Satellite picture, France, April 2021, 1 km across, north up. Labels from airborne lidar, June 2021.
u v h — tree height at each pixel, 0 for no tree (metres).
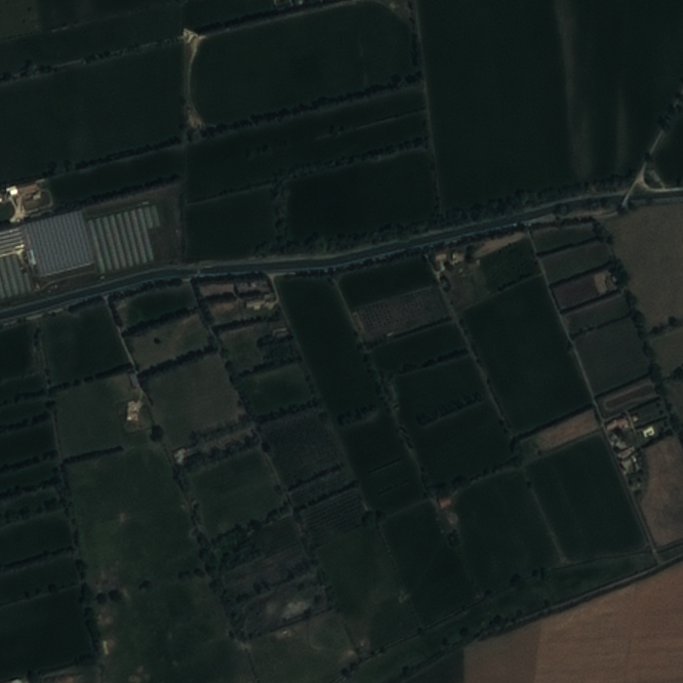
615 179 10
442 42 0
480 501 0
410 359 0
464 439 0
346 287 0
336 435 0
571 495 0
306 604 0
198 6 0
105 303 11
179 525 0
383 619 0
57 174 20
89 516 0
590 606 0
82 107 0
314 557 7
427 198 0
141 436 0
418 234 10
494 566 0
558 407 0
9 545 0
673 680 0
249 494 0
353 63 0
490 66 0
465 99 0
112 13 0
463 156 0
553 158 0
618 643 0
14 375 0
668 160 0
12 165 0
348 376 0
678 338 0
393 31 0
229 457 10
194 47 0
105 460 0
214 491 0
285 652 0
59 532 0
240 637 7
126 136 0
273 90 0
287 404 0
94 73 0
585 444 0
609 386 0
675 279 0
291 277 6
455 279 0
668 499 0
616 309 0
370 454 0
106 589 0
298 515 13
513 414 0
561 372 0
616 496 0
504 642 0
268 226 0
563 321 0
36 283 0
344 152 0
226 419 0
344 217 0
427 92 0
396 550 0
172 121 0
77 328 0
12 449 0
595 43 0
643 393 0
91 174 0
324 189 0
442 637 0
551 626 0
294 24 0
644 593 0
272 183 7
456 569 0
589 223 13
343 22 0
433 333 0
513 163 0
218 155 0
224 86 0
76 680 0
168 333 0
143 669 0
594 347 0
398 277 0
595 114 0
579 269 0
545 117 0
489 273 0
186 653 0
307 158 0
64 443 0
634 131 0
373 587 0
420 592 0
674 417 7
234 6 0
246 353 0
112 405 0
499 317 0
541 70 0
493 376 0
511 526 0
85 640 0
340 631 0
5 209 0
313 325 0
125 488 0
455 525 0
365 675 0
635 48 0
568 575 0
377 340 8
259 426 13
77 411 0
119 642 0
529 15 0
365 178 0
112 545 0
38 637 0
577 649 0
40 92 0
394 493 0
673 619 0
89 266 0
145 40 0
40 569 0
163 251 0
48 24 0
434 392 0
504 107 0
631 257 0
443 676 0
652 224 0
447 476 0
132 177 0
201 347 0
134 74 0
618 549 0
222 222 0
